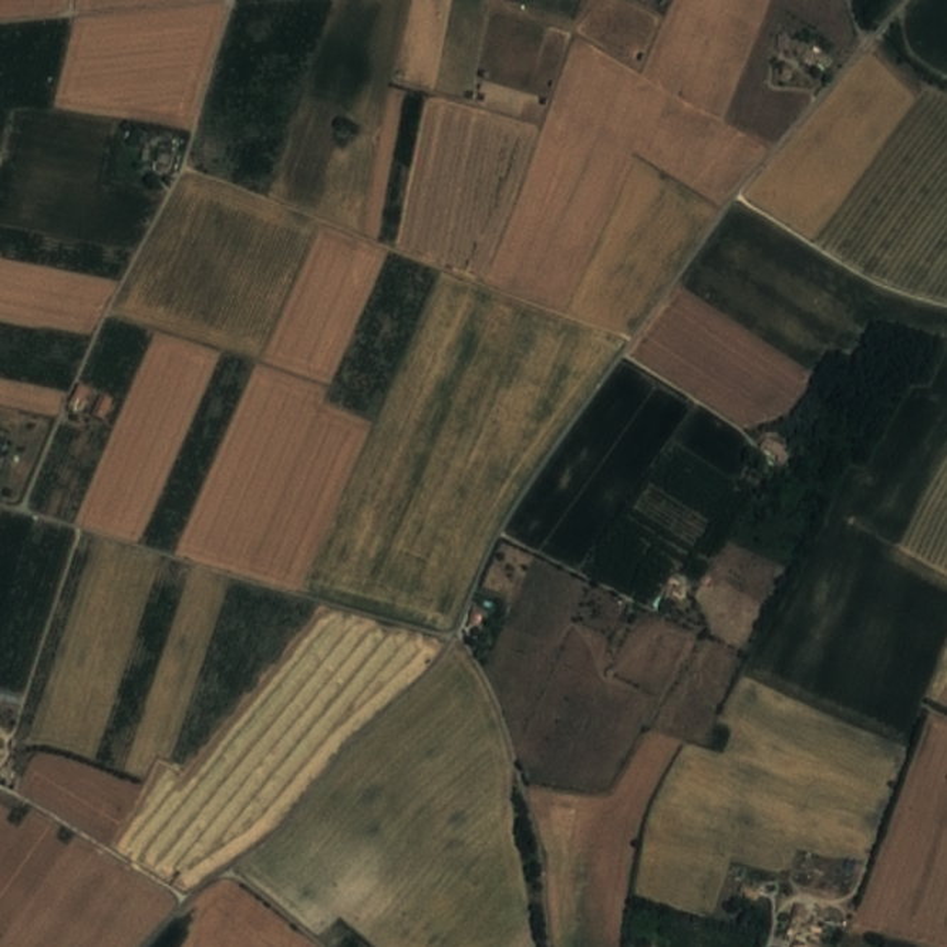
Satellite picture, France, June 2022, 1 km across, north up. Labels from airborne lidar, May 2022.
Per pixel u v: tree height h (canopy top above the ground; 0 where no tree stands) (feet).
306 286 0
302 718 0
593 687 0
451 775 0
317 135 0
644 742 0
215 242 0
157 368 0
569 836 0
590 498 0
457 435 0
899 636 0
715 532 27
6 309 0
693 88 0
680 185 0
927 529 0
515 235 0
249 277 0
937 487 0
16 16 0
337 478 0
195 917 0
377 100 0
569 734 0
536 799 0
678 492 24
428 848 0
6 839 0
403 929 0
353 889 0
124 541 0
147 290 0
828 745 0
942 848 0
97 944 0
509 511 0
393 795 0
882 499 0
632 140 0
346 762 0
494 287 0
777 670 0
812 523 36
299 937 0
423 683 0
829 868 0
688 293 0
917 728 39
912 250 0
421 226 0
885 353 49
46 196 0
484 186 0
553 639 0
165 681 0
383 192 0
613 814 0
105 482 0
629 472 0
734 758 0
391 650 0
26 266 0
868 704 0
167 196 0
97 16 0
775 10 0
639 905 45
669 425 0
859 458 23
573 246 0
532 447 0
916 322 0
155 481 0
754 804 0
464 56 0
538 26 0
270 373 0
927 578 0
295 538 0
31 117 0
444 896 0
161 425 0
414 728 0
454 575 0
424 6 0
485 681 0
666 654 0
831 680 0
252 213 0
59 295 0
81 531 0
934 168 0
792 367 0
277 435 0
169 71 0
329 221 0
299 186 0
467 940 0
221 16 0
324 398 0
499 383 0
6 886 0
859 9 35
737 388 0
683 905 0
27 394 0
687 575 20
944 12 0
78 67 0
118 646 0
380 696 0
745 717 0
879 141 0
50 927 0
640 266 0
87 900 0
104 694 0
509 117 0
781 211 0
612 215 0
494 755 0
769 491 33
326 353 0
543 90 0
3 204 0
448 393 0
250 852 0
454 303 0
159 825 0
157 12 0
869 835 0
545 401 0
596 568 27
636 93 0
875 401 41
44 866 0
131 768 0
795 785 0
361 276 0
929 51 0
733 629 0
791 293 0
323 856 0
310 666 0
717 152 0
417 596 0
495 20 0
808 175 0
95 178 0
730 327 0
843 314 0
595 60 0
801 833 0
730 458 0
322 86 0
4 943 0
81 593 0
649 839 0
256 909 0
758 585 0
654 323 0
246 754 0
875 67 0
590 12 0
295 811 0
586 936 0
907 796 0
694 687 0
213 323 0
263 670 0
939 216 0
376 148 0
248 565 0
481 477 0
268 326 0
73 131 0
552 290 0
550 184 0
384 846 0
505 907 0
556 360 0
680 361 0
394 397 0
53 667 0
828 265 0
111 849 0
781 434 32
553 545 0
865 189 0
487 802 0
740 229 0
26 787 0
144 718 0
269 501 0
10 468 0
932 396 0
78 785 0
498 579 0
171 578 0
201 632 0
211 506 0
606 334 0
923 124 0
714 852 0
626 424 0
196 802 0
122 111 0
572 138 0
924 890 0
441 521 0
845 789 0
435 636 0
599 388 0
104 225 0
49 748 35
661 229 0
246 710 0
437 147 0
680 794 0
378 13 0
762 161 0
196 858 0
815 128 0
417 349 0
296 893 0
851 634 0
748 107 0
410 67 0
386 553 0
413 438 0
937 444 0
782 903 0
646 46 0
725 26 0
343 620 0
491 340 0
